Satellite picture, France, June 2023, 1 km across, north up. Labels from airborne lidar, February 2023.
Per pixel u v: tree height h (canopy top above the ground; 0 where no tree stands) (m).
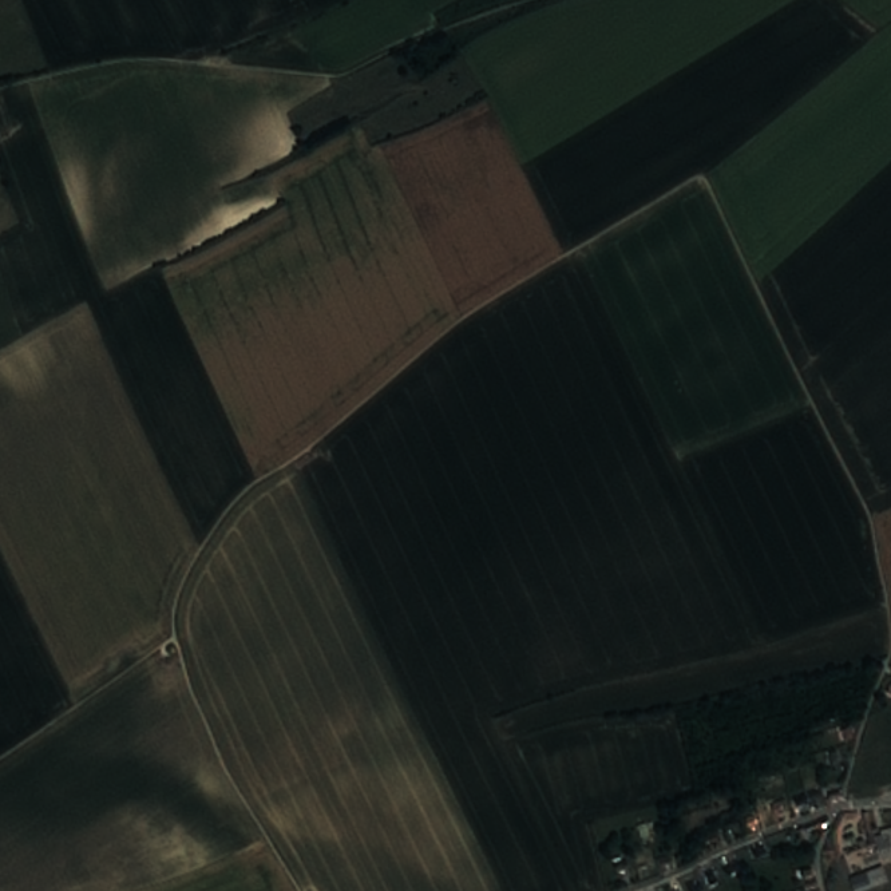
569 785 0
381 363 0
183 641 0
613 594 0
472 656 0
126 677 0
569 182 0
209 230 0
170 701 0
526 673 0
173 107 0
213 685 0
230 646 0
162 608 0
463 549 0
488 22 0
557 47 0
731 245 0
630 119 0
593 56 0
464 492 0
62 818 0
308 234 0
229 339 0
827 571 0
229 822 0
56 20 0
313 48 0
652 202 0
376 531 0
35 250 0
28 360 0
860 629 0
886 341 0
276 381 0
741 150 0
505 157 0
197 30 0
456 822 0
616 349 0
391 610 0
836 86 0
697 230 0
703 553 0
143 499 0
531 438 0
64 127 0
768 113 0
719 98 0
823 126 0
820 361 0
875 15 0
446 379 0
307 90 0
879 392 0
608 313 0
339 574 0
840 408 0
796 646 0
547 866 0
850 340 0
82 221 0
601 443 0
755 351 0
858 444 0
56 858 0
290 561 0
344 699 0
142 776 0
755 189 0
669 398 0
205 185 0
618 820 0
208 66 0
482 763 0
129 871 0
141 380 0
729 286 0
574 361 0
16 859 0
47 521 0
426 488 0
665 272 0
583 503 0
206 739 0
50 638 0
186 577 0
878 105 0
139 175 0
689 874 0
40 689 0
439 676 0
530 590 0
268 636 0
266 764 0
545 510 0
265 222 0
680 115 0
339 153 0
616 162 0
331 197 0
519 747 0
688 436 0
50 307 0
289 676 0
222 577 0
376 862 0
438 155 0
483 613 0
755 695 16
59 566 0
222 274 0
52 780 0
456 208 0
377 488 0
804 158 0
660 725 0
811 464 0
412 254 0
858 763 0
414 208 0
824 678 9
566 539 0
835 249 0
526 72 0
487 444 0
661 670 0
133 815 0
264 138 0
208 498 0
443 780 0
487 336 0
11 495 0
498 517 0
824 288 0
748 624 0
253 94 0
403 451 0
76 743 0
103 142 0
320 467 0
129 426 0
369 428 0
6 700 0
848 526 0
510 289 0
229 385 0
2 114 0
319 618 0
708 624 0
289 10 0
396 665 0
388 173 0
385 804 0
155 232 0
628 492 0
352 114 0
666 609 0
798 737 9
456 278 0
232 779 0
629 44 0
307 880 0
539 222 0
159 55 0
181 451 0
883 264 0
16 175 0
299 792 0
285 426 0
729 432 0
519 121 0
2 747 0
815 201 0
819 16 0
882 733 0
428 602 0
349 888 0
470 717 0
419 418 0
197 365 0
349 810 0
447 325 0
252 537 0
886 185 0
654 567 0
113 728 0
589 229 0
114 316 0
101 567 0
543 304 0
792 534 0
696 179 0
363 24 0
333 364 0
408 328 0
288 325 0
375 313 0
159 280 0
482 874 0
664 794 0
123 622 0
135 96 0
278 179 0
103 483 0
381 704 0
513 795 0
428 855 0
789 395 0
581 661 0
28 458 0
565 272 0
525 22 0
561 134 0
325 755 0
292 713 0
